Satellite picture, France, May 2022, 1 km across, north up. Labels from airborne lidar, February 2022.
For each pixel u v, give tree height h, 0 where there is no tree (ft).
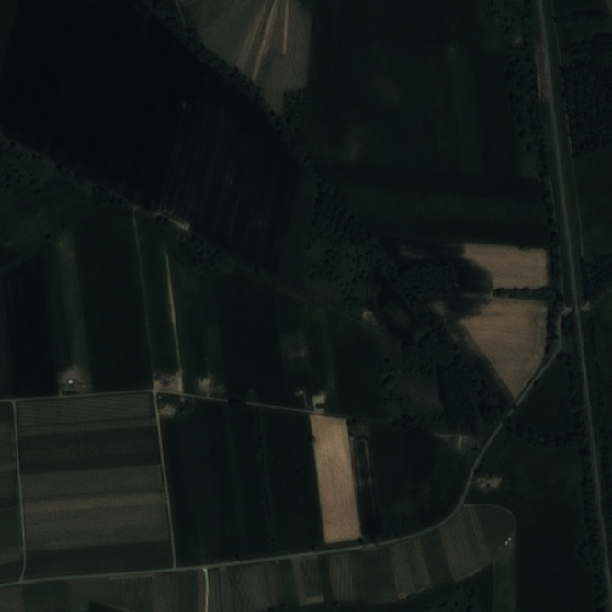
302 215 0
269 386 0
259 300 0
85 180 48
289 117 30
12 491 0
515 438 0
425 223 0
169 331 0
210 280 0
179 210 0
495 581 0
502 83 0
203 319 0
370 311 0
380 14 0
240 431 0
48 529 0
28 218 0
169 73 0
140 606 0
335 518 0
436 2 0
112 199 38
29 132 0
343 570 0
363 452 0
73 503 0
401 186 0
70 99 0
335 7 0
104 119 0
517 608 0
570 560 0
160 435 0
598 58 0
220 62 38
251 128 0
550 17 0
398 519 0
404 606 0
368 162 0
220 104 0
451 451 0
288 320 0
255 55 0
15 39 0
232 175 0
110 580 0
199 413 0
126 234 0
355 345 0
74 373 0
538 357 0
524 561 0
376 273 0
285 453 0
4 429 0
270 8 0
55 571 0
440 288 56
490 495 0
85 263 0
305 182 0
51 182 0
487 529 0
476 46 0
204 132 0
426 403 0
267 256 0
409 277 56
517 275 0
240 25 0
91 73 0
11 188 0
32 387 0
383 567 0
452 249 0
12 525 0
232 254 0
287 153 0
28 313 0
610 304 0
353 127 0
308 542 0
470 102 0
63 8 0
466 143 0
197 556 0
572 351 0
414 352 27
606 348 0
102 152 0
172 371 0
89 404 0
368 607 0
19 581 0
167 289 0
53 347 0
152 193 0
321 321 0
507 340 0
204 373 0
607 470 58
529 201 0
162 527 0
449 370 94
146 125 0
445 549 0
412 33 0
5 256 0
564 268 0
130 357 0
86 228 0
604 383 0
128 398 0
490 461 0
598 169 0
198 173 0
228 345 0
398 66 0
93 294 0
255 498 0
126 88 0
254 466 0
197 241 40
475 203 0
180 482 0
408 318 0
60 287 0
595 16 57
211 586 0
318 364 0
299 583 0
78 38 0
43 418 0
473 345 0
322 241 0
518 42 0
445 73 0
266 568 0
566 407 0
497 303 0
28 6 0
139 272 0
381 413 0
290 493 0
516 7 0
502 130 0
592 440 0
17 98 0
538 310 0
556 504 0
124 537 0
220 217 0
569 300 0
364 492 0
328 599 0
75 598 0
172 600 0
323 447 0
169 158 0
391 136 0
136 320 0
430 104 0
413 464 0
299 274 0
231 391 0
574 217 0
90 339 0
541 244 0
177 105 0
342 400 0
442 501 0
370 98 0
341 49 0
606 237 0
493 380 0
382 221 0
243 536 0
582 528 0
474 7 0
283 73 0
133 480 0
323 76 0
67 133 0
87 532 0
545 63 0
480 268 0
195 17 0
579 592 0
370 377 0
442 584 0
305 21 0
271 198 0
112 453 0
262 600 0
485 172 0
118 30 0
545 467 0
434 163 0
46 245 0
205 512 0
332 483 0
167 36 0
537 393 0
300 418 0
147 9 0
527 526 0
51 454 0
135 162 0
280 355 0
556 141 0
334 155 0
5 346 0
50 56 0
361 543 52
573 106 0
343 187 0
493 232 0
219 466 0
